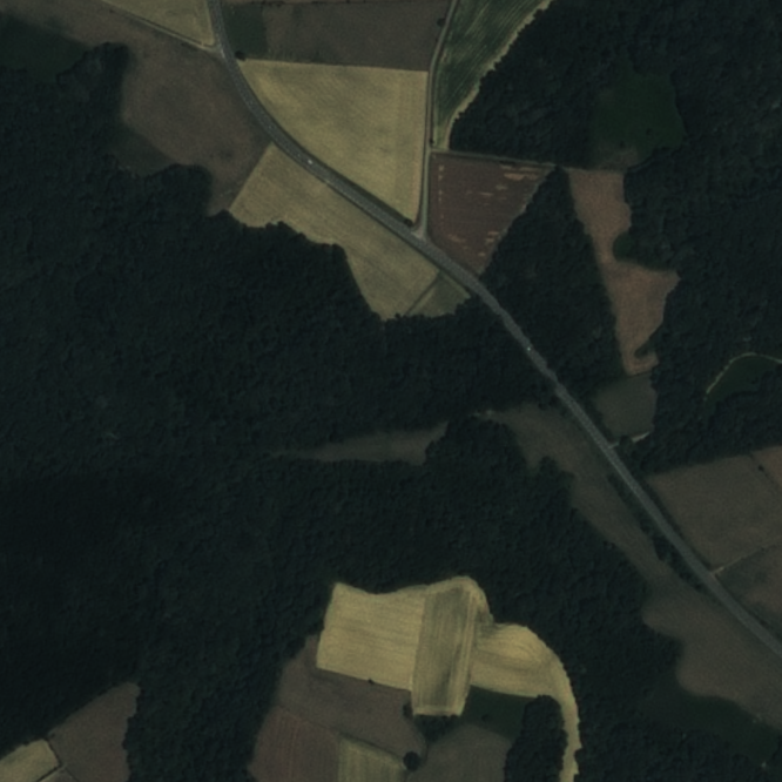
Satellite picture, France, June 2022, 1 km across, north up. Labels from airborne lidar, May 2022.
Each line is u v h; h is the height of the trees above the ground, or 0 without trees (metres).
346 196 0
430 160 0
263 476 18
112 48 12
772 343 19
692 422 18
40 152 26
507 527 20
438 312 0
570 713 0
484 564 14
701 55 20
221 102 0
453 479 12
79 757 0
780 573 0
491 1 0
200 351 6
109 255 19
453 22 0
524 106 19
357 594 0
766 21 18
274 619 22
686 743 13
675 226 28
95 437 17
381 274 0
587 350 18
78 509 19
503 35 0
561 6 15
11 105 17
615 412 0
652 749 22
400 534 18
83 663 18
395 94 0
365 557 18
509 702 0
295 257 20
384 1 0
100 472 21
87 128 24
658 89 0
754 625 0
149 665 19
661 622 0
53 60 0
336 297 9
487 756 0
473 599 0
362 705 0
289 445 22
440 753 0
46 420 26
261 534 22
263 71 0
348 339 15
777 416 10
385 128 0
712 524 0
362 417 21
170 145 0
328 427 23
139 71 0
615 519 0
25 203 28
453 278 0
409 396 23
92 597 16
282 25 0
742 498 0
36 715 16
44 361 23
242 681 14
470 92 0
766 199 26
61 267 23
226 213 14
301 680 0
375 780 0
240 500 21
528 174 0
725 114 17
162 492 17
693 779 11
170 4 0
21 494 13
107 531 16
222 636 22
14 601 23
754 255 21
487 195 0
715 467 0
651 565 0
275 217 0
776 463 0
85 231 26
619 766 26
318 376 22
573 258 12
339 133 0
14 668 14
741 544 0
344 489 14
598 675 7
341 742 0
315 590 19
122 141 0
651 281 0
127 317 22
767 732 0
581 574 12
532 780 17
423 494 20
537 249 20
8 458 26
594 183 0
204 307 22
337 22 0
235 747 20
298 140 0
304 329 6
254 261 9
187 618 21
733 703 0
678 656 8
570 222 14
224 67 0
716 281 23
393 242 0
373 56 0
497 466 15
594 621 20
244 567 23
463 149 7
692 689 0
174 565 27
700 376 21
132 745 18
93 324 31
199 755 18
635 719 6
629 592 18
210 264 15
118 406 24
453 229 0
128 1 0
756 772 9
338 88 0
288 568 20
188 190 25
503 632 0
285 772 0
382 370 21
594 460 0
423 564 18
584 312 14
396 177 0
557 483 6
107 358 21
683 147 10
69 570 16
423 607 0
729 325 20
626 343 0
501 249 10
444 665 0
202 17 0
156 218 12
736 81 22
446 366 24
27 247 10
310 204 0
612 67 22
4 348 24
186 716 18
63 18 0
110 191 25
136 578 11
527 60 16
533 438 0
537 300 15
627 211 0
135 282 23
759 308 14
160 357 27
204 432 26
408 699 0
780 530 0
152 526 18
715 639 0
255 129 0
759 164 24
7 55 0
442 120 0
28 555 18
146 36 0
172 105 0
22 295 24
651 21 31
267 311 20
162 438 23
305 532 13
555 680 0
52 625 22
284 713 0
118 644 22
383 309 0
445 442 14
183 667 23
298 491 18
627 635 9
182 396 27
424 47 0
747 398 19
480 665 0
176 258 24
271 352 15
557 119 23
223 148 0
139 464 26
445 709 0
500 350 17
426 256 0
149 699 19
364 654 0
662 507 8
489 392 34
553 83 27
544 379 24
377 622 0
